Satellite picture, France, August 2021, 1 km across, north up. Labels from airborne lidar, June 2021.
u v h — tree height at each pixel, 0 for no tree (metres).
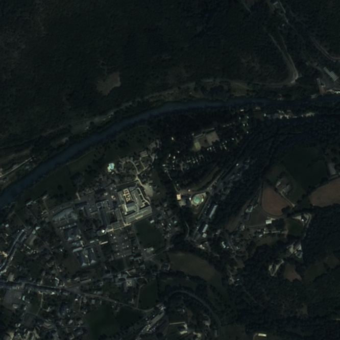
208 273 0
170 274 14
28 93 16
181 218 16
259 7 24
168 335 0
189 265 0
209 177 0
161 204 14
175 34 19
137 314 0
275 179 0
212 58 18
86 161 0
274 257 6
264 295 14
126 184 0
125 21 19
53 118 8
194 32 22
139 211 0
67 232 0
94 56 21
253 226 0
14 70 8
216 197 15
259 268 13
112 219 6
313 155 0
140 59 14
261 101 0
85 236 7
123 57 18
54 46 18
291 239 19
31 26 14
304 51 18
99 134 0
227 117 21
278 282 6
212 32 32
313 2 15
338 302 10
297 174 0
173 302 9
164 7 23
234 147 12
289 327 15
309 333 15
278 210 0
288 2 18
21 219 0
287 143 13
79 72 21
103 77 18
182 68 7
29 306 0
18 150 13
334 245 18
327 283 12
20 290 0
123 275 0
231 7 25
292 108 16
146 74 15
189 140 9
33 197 0
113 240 0
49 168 0
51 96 19
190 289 5
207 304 11
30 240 0
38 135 17
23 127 10
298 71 9
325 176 0
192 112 14
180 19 21
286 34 19
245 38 21
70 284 0
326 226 15
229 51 15
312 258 20
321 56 14
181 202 0
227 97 33
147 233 0
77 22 19
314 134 16
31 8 12
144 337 11
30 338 6
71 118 13
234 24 28
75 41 19
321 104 10
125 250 0
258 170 13
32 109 14
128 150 0
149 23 12
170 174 15
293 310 18
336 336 13
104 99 15
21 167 6
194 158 14
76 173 0
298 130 16
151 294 0
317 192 0
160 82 6
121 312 0
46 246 0
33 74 9
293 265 8
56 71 15
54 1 12
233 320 9
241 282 6
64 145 13
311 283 10
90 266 0
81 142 0
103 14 20
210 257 11
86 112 8
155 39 23
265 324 25
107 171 0
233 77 6
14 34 6
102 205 0
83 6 13
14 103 13
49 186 0
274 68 11
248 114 11
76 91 21
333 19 11
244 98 0
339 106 19
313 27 11
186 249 18
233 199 13
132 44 27
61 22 19
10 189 0
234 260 10
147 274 12
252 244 17
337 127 14
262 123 23
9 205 10
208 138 0
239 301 19
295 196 0
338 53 8
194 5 25
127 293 7
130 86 13
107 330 0
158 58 12
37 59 19
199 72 9
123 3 19
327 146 17
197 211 0
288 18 13
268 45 15
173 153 14
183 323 0
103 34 15
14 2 15
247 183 18
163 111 0
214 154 16
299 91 17
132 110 19
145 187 0
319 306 15
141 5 20
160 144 7
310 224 0
